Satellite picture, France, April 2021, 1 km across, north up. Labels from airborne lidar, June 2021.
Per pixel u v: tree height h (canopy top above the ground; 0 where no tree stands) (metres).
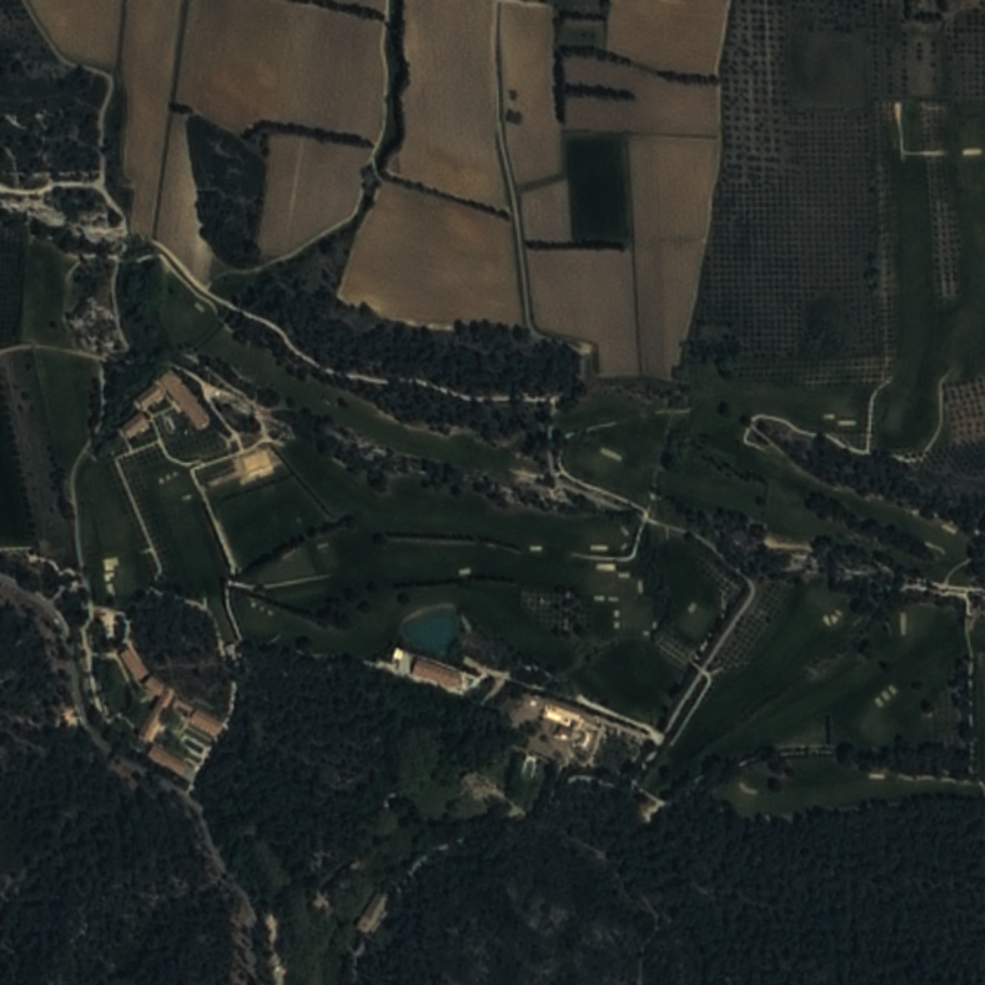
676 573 0
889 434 0
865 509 0
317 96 0
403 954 10
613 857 10
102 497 0
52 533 0
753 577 12
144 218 0
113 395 17
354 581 0
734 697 0
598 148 0
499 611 0
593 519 0
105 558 0
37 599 0
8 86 0
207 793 12
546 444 20
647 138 0
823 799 0
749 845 12
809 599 0
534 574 0
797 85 0
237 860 16
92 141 7
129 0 0
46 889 17
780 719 0
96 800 13
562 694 17
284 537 0
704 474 0
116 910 13
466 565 0
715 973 11
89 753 16
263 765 15
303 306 7
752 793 0
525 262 0
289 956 26
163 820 10
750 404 0
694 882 12
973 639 0
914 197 0
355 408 0
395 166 0
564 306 0
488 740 16
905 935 13
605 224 0
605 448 0
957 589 0
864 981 10
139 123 0
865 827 11
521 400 19
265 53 0
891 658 0
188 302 0
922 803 13
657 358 0
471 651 12
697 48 0
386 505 0
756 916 11
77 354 0
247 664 13
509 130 0
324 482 0
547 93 0
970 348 0
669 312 0
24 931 13
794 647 0
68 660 11
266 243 0
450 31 0
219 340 0
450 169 0
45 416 0
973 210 0
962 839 11
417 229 0
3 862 0
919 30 0
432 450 0
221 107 0
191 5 0
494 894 6
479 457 0
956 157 0
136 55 0
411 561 0
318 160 0
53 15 0
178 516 0
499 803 12
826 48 0
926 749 11
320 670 14
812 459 8
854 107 0
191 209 0
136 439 9
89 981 12
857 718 0
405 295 0
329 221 0
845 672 0
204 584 0
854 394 0
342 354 14
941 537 0
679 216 0
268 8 0
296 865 8
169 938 14
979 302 0
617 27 0
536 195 0
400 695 15
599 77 0
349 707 12
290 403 6
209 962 9
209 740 0
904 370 0
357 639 0
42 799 15
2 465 0
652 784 0
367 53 0
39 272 0
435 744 21
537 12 0
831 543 14
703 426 0
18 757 9
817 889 11
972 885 12
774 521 0
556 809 11
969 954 10
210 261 0
